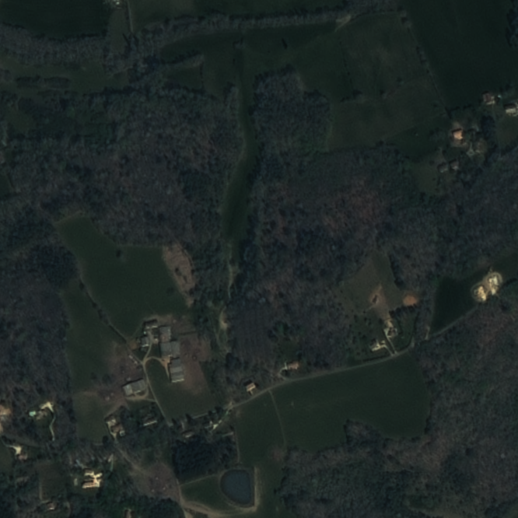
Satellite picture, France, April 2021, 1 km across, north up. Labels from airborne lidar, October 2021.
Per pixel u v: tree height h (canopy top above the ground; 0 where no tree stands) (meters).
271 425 0
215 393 7
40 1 0
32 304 15
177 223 9
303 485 17
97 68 0
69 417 13
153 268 0
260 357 12
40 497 17
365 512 17
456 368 14
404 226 18
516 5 17
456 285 0
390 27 0
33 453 0
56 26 0
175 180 9
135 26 0
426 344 12
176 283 0
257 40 0
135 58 24
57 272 27
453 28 0
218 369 10
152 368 0
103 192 9
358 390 0
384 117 0
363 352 6
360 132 0
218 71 0
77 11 0
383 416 0
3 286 14
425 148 0
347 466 18
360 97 18
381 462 27
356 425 9
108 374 0
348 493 19
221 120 23
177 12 0
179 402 0
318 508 18
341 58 0
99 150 13
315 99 18
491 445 22
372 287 0
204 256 12
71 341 0
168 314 0
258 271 25
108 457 19
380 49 0
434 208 11
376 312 0
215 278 22
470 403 11
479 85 0
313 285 22
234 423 0
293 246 9
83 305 0
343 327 14
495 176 16
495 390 22
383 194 10
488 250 15
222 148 25
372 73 0
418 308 13
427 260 15
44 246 18
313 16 14
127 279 0
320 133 28
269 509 0
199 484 0
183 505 0
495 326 7
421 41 0
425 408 0
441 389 14
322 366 10
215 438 13
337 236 10
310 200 8
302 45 0
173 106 17
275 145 20
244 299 11
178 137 17
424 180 0
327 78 0
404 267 18
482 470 20
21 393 19
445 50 0
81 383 0
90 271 0
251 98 0
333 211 8
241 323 18
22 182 18
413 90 0
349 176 12
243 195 0
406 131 0
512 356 17
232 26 18
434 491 18
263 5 0
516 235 17
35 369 21
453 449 20
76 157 16
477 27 0
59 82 6
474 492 11
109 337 0
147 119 19
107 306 0
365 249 11
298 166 19
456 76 0
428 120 0
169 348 0
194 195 25
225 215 0
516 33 24
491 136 19
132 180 10
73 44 20
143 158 11
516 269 0
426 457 16
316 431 0
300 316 13
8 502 15
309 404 0
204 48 0
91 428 0
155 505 19
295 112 25
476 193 17
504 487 16
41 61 22
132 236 19
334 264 17
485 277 0
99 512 14
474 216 11
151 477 0
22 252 20
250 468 0
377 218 11
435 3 0
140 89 11
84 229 0
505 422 17
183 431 7
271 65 0
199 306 12
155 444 19
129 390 0
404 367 0
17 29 12
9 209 20
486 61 0
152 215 18
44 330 16
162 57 0
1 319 10
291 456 16
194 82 0
